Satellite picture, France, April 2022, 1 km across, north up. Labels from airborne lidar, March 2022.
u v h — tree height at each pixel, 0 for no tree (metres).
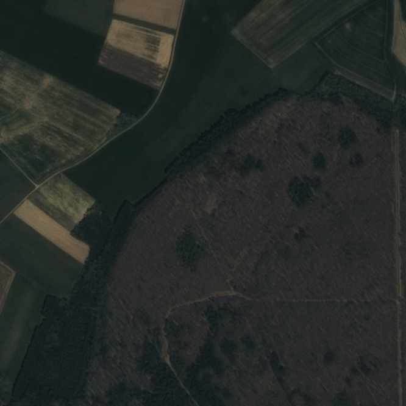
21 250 0
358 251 15
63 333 12
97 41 0
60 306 16
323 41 0
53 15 0
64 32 0
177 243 19
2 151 0
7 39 0
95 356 20
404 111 23
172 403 30
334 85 21
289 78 0
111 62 0
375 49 0
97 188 0
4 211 0
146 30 0
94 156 0
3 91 0
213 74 0
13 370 0
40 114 0
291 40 0
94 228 11
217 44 0
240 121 27
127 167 0
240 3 0
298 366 16
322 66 0
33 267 0
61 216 0
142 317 24
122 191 0
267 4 0
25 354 0
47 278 0
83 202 0
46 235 0
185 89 0
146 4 0
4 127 0
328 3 0
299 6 0
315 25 0
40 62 0
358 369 19
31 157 0
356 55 0
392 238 15
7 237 0
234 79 0
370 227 17
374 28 0
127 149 0
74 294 7
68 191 0
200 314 19
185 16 0
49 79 0
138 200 0
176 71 0
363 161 25
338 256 17
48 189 0
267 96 0
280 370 19
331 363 24
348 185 18
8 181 0
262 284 21
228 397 26
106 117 0
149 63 0
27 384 16
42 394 23
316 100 18
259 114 22
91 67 0
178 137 0
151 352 25
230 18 0
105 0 0
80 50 0
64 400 23
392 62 0
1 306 0
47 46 0
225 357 19
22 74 0
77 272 0
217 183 25
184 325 20
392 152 14
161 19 0
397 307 23
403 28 0
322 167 24
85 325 13
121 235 19
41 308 0
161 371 29
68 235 0
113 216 0
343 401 15
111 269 26
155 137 0
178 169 24
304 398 17
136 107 0
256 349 23
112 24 0
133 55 0
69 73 0
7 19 0
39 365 12
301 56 0
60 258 0
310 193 25
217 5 0
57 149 0
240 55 0
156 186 0
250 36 0
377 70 0
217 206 0
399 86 0
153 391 24
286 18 0
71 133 0
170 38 0
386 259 19
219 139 24
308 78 0
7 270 0
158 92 0
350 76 0
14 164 0
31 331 0
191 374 23
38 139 0
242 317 17
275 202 21
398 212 0
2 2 0
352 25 0
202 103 0
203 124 0
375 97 22
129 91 0
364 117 18
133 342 24
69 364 11
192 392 22
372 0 0
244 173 24
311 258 22
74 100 0
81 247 0
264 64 0
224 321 18
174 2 0
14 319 0
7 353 0
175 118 0
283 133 23
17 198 0
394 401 16
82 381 7
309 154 20
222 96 0
